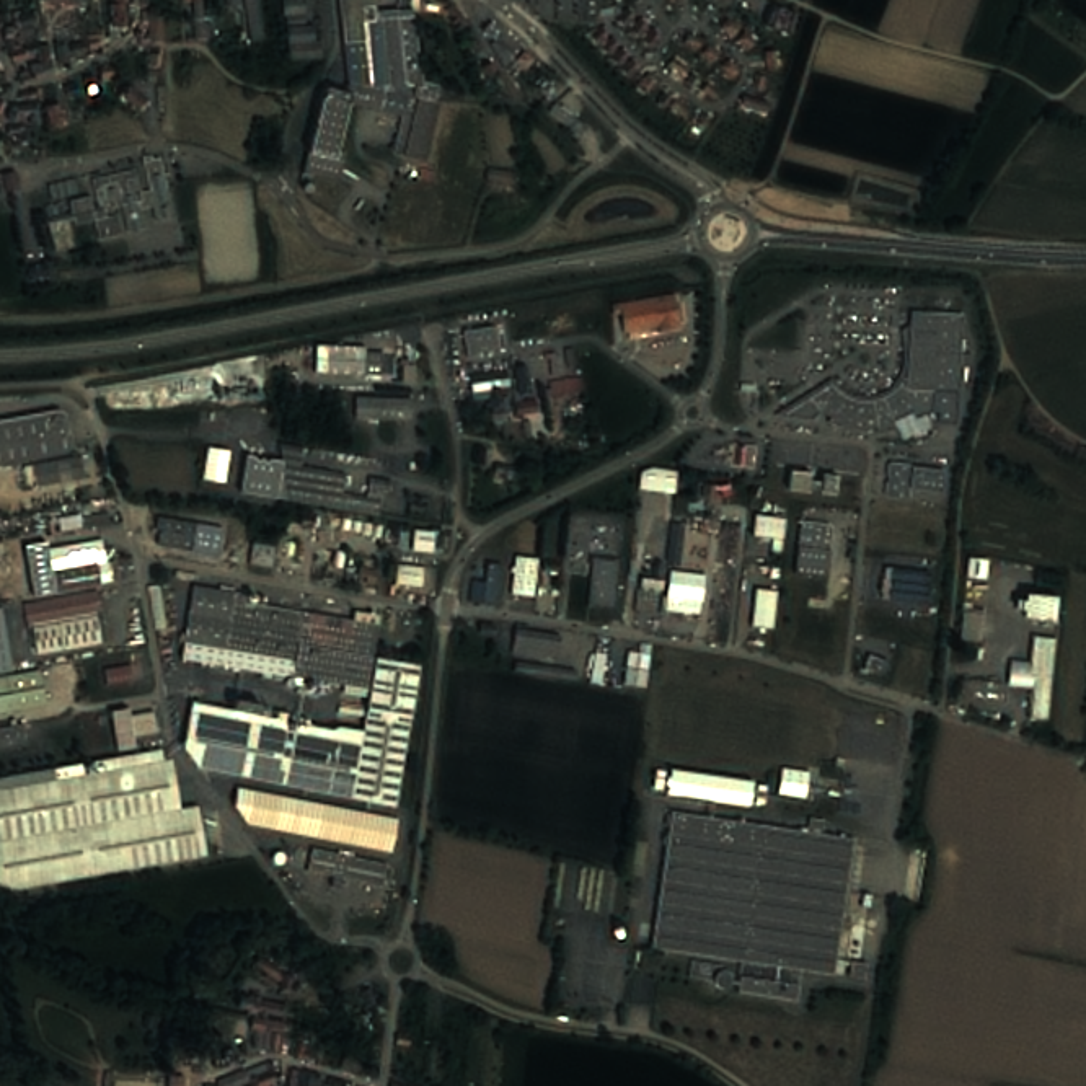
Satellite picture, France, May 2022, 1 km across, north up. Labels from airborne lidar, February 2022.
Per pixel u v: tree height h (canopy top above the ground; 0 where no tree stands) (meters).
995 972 0
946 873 0
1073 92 0
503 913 0
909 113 0
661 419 6
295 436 13
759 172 0
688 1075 0
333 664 0
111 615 0
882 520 0
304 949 16
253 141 7
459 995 0
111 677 0
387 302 0
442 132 0
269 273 0
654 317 0
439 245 0
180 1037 18
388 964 0
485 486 0
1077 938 0
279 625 0
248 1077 0
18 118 0
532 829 0
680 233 0
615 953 0
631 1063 0
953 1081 0
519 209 0
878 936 0
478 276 0
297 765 0
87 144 0
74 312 0
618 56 0
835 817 0
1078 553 0
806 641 0
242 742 0
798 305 0
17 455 0
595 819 0
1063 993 0
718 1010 0
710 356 0
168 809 0
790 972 0
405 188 0
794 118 0
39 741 0
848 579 0
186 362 0
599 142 0
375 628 0
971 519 0
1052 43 0
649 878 0
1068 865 0
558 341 0
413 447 0
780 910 0
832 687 0
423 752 0
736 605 0
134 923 20
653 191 0
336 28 0
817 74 0
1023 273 0
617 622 0
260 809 0
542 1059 0
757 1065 0
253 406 0
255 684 0
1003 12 0
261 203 0
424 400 0
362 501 0
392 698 0
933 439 0
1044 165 0
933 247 0
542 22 0
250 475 0
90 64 0
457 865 0
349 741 0
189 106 0
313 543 0
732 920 0
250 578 0
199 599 0
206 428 0
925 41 0
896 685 0
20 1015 12
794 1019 0
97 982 17
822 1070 0
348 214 0
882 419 0
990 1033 0
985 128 0
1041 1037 0
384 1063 0
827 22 0
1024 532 0
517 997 0
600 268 0
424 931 12
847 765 0
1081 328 0
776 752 0
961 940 0
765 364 0
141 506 0
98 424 0
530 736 0
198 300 0
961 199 0
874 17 0
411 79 0
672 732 0
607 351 0
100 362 0
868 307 0
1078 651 0
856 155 0
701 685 0
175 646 0
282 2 0
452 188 0
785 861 0
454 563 0
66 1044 0
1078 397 0
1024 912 0
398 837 0
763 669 0
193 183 0
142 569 0
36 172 0
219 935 22
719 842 0
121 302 0
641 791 0
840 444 0
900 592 0
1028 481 18
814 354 0
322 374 0
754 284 0
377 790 0
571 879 0
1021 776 0
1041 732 0
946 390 0
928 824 0
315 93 0
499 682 0
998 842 0
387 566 14
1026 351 0
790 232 0
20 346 0
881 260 0
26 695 0
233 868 0
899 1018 0
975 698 0
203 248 0
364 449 0
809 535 0
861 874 0
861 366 0
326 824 0
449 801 0
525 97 0
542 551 8
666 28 0
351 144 0
